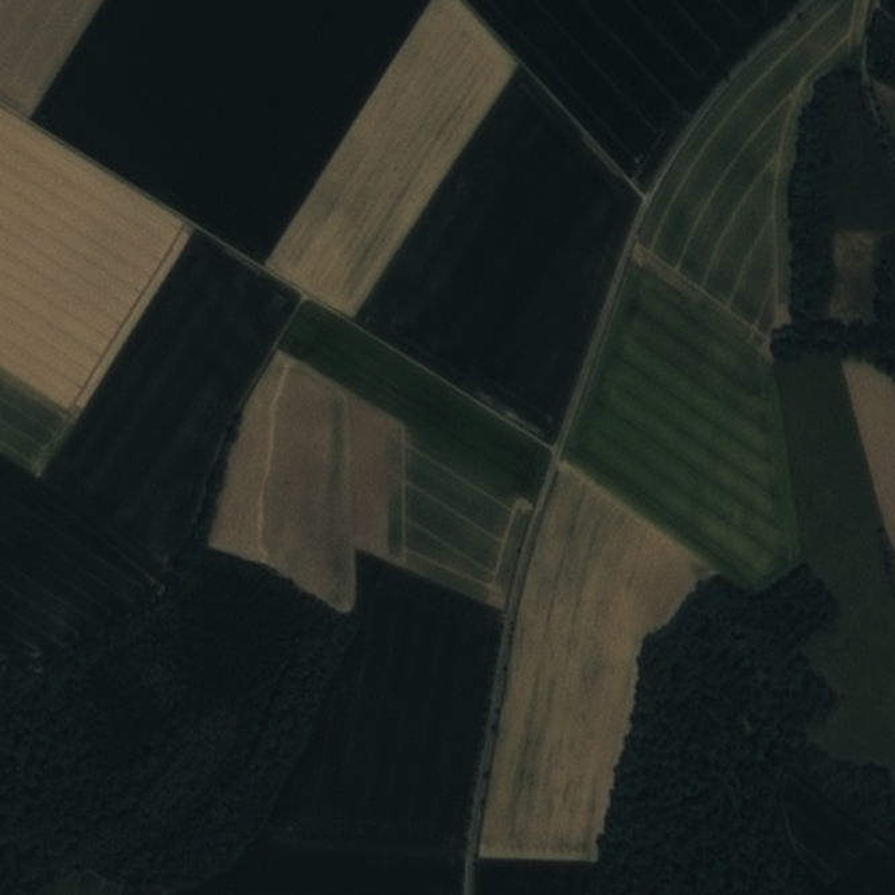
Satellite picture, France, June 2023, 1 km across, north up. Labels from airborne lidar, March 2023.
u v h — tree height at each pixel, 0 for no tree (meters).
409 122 0
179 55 0
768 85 0
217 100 0
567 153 0
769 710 11
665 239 0
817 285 26
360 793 0
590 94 0
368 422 0
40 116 0
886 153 9
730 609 21
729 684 26
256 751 25
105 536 0
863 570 0
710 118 0
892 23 7
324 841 0
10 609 0
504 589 0
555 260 0
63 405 0
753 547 0
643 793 22
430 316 0
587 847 0
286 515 0
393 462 0
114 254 0
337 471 0
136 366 0
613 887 20
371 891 0
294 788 0
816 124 23
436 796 0
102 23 0
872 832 0
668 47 0
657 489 0
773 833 11
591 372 0
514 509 0
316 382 0
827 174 24
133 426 0
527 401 0
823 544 0
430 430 0
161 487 0
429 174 0
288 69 0
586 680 0
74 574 0
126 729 12
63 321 0
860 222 0
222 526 0
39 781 25
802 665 13
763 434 0
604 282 0
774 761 26
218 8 0
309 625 9
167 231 0
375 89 0
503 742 0
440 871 0
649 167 0
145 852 19
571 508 0
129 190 0
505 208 0
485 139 0
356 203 0
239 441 0
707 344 0
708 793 22
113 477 0
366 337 0
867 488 0
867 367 0
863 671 0
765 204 0
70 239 0
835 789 8
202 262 0
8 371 0
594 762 0
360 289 0
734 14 0
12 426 0
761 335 0
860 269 0
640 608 0
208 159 0
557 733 0
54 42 0
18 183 0
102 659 13
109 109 0
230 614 11
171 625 8
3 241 0
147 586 0
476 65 0
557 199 0
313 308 0
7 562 0
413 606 0
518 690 0
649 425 0
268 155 0
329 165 0
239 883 0
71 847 23
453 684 0
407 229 0
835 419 0
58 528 0
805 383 0
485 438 0
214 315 0
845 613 0
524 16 0
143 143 0
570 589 0
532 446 0
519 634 0
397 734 0
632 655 0
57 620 0
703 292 0
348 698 0
